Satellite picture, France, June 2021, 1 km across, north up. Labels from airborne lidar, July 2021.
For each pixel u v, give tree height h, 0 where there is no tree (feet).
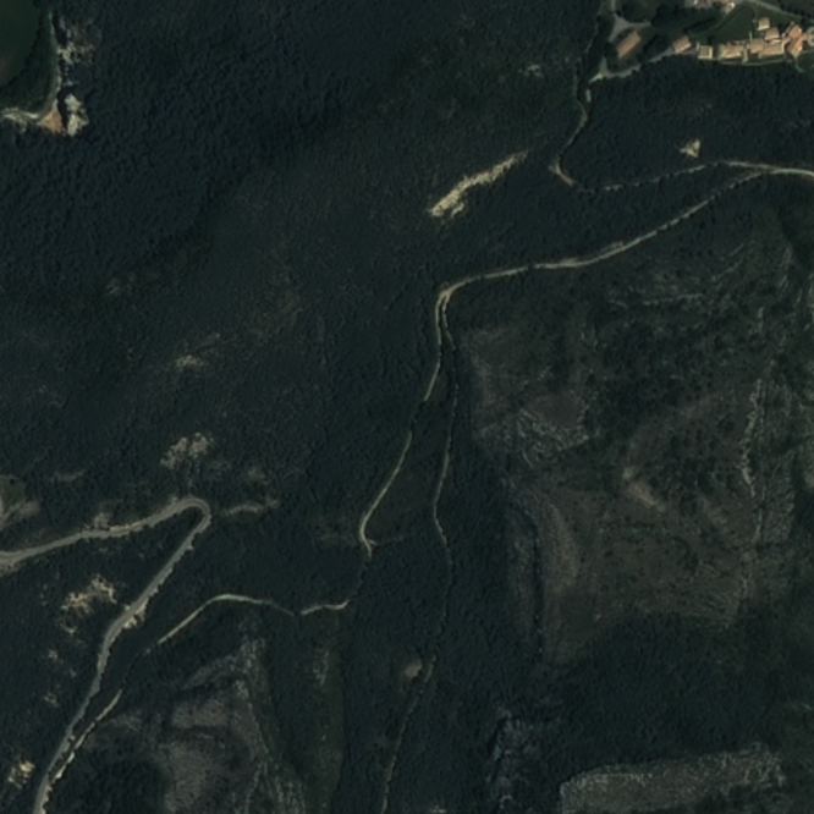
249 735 0
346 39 37
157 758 0
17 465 26
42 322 27
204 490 34
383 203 26
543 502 0
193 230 28
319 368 32
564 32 34
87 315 35
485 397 0
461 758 20
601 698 36
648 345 24
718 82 43
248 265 23
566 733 25
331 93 28
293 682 37
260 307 20
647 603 0
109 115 44
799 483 19
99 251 31
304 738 27
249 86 37
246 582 41
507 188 31
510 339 0
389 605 36
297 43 26
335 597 32
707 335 19
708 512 0
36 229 41
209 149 42
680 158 19
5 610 21
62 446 40
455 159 30
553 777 23
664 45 42
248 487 25
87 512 31
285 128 34
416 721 31
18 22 0
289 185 23
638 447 0
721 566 0
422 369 40
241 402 21
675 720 24
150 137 50
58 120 0
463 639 44
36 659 22
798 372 23
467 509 27
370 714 30
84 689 31
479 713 24
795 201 23
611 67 26
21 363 17
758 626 22
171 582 20
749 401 0
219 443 22
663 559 0
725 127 24
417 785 30
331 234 28
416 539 27
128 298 33
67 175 33
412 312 32
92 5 26
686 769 0
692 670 29
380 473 29
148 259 35
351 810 34
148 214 52
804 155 20
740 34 0
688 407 0
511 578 0
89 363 43
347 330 37
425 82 47
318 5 31
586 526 0
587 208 44
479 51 40
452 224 25
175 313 33
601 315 21
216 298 24
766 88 52
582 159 40
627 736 20
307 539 39
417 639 37
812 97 52
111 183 36
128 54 45
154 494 24
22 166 37
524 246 33
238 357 20
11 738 18
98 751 23
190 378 21
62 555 31
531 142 21
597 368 0
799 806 0
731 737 36
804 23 32
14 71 0
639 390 27
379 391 48
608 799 0
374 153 29
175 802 0
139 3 31
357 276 32
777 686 24
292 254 23
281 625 42
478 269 22
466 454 28
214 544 18
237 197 20
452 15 33
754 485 0
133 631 27
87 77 23
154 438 21
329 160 32
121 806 25
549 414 0
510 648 42
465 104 26
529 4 38
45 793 0
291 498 33
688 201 27
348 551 36
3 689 20
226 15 31
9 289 24
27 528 23
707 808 20
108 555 23
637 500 0
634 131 30
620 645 22
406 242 29
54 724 26
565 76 36
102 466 50
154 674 27
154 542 39
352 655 26
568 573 0
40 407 25
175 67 48
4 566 0
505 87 36
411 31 37
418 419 35
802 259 29
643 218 28
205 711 0
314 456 35
